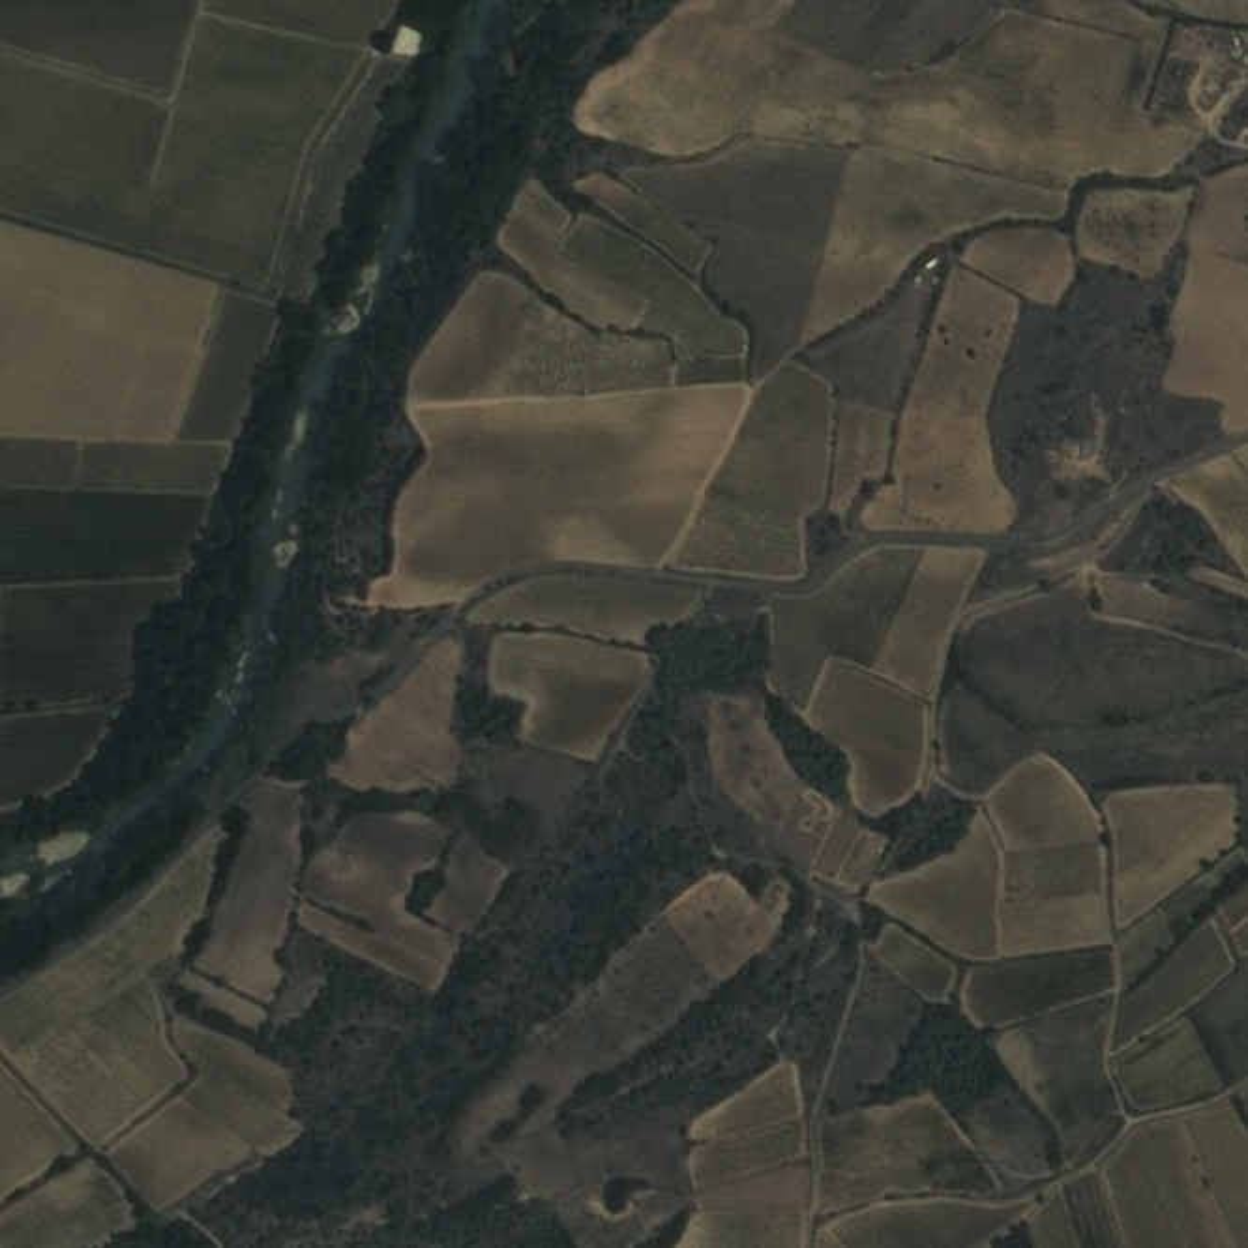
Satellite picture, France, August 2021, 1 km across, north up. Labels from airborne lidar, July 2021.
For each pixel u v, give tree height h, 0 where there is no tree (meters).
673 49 0
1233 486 0
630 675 0
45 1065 0
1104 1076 0
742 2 0
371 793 7
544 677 0
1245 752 0
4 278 0
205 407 0
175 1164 0
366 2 0
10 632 0
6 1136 0
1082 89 0
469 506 0
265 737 0
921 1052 15
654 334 7
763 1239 0
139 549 0
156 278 0
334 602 7
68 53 0
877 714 0
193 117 0
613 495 0
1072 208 7
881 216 0
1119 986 0
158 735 11
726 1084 13
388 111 18
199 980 0
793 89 0
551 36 9
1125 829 0
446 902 0
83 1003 0
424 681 0
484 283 0
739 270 0
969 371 0
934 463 0
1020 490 0
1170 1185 0
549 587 0
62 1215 0
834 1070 0
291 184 0
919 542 0
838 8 0
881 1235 0
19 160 0
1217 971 0
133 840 22
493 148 15
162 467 0
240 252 0
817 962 10
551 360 0
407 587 0
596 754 0
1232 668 0
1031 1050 0
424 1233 9
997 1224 0
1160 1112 0
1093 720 0
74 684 0
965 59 0
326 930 0
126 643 0
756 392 0
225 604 15
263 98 0
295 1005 0
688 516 0
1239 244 0
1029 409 0
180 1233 12
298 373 11
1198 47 0
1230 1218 0
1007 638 0
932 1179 0
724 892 0
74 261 0
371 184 14
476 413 0
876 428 0
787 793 0
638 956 0
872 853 0
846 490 0
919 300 0
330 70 0
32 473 0
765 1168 0
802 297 0
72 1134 0
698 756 6
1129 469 0
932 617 0
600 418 0
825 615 0
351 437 11
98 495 0
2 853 23
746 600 0
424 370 0
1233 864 0
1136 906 0
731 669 16
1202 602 0
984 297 0
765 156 0
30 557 0
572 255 0
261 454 16
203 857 0
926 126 0
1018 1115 0
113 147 0
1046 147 0
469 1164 0
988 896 0
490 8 0
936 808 7
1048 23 0
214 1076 0
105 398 0
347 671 0
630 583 0
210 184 0
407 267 13
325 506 11
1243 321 0
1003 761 0
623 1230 0
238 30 0
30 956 16
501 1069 6
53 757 0
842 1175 0
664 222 0
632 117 0
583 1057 0
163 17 0
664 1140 0
